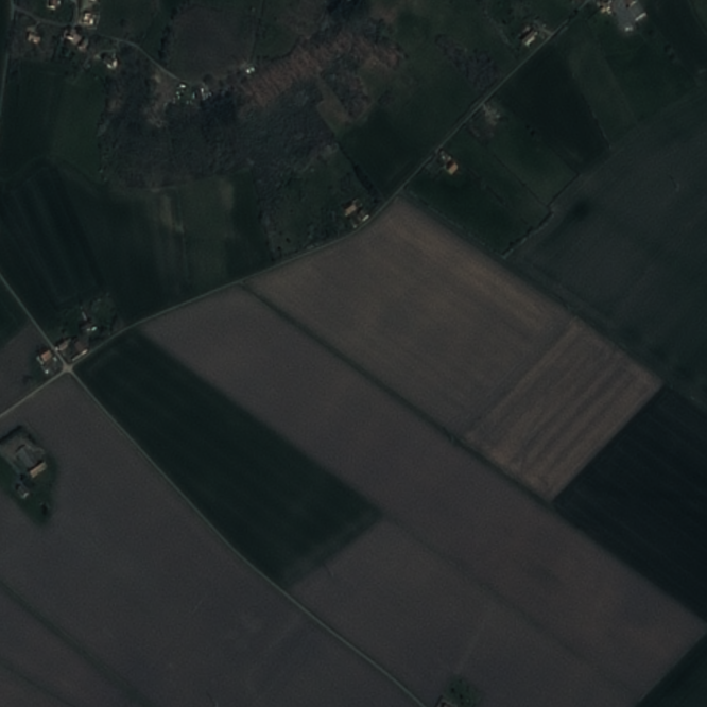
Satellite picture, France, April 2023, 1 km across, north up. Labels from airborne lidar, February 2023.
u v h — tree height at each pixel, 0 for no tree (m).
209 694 0
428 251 0
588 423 0
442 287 0
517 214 0
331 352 0
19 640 0
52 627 0
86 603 0
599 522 0
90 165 0
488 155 0
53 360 0
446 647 0
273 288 0
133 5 0
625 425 0
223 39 0
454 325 0
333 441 0
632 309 0
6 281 0
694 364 0
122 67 14
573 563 0
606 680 0
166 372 0
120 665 0
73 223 0
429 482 0
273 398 0
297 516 0
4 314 0
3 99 0
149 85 16
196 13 0
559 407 0
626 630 0
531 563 0
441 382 0
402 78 0
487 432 0
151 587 0
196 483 0
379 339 0
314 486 0
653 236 0
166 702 0
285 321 0
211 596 0
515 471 0
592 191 0
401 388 0
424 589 0
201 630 0
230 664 0
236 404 0
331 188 8
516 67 0
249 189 0
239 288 0
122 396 0
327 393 0
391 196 0
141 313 0
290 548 0
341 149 7
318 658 0
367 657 0
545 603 0
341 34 16
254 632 0
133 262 0
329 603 0
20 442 0
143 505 0
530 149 0
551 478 0
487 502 0
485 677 0
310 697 0
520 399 0
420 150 0
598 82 0
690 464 0
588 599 0
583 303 0
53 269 0
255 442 0
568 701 0
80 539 0
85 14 0
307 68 15
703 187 0
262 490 0
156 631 0
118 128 13
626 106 0
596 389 0
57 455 0
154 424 0
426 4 0
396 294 0
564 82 0
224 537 0
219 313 0
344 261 0
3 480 0
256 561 0
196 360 0
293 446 0
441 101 0
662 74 0
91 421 0
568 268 0
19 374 0
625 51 0
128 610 0
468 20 0
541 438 0
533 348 0
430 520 0
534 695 0
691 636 0
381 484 0
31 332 0
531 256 0
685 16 0
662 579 0
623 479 0
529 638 0
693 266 0
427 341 0
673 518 0
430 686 0
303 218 0
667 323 0
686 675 0
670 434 0
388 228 0
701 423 0
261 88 13
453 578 0
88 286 0
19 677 0
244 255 0
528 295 0
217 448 0
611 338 0
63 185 0
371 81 0
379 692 0
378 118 0
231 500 0
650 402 0
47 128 0
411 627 0
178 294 0
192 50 0
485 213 0
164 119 14
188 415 0
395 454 0
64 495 0
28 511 0
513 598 0
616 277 0
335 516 0
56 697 0
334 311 0
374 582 0
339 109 0
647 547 0
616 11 0
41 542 0
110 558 0
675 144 0
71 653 0
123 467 0
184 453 0
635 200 0
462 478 0
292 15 0
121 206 0
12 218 0
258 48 0
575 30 0
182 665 0
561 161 0
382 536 0
